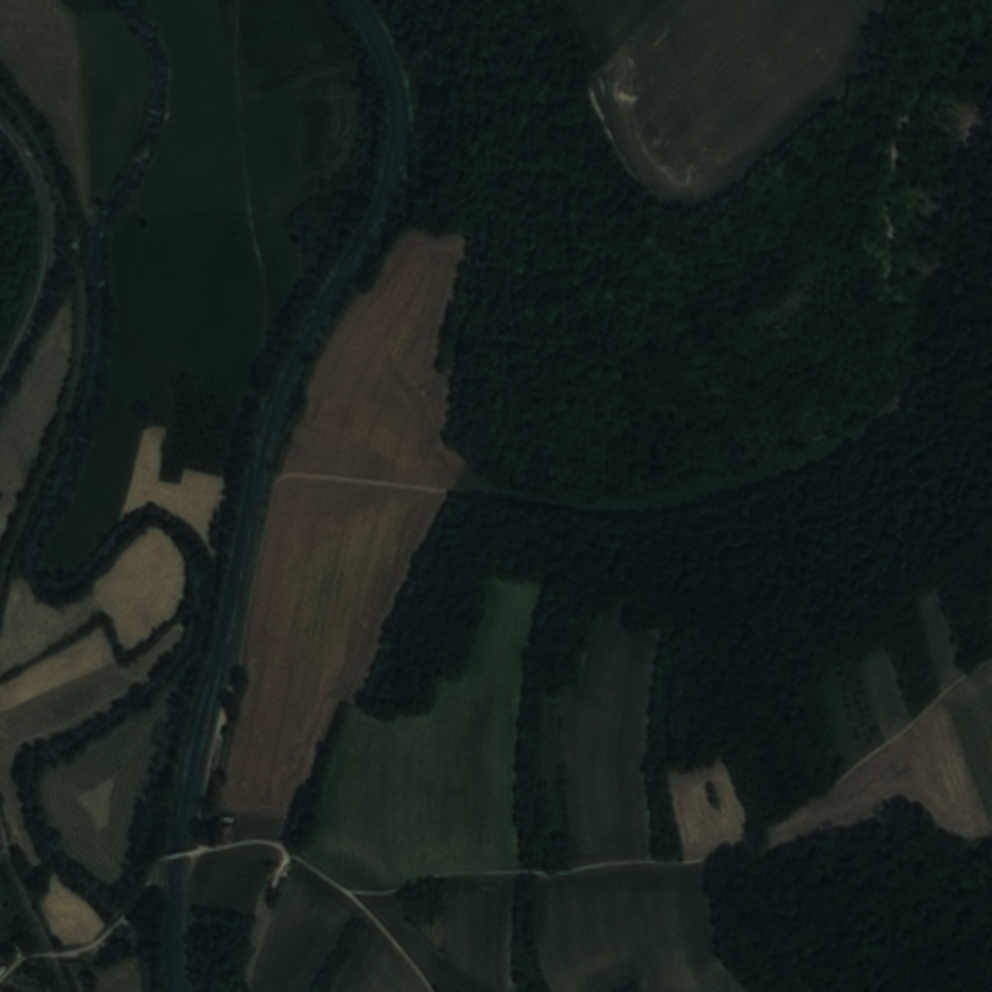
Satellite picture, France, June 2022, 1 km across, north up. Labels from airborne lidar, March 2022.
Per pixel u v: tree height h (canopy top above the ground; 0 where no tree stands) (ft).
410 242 0
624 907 0
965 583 52
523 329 71
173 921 0
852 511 66
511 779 0
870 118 57
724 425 67
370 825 0
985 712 0
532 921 37
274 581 0
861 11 0
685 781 0
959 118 100
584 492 51
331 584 0
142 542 0
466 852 0
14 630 0
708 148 0
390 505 0
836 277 26
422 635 47
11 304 41
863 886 62
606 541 68
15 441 0
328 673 0
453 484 0
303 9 0
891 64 67
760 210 35
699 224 26
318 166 0
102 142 0
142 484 0
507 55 61
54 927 0
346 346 0
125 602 0
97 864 0
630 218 68
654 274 32
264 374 70
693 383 73
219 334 0
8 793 0
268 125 0
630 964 0
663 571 64
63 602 27
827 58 0
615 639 0
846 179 51
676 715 66
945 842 60
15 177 61
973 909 66
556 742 0
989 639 24
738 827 0
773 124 0
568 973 0
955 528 51
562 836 21
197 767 0
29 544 50
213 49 0
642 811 0
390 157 0
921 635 42
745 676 83
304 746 0
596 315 64
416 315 0
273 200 0
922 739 0
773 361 31
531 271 65
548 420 36
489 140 57
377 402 0
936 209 90
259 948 0
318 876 0
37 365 0
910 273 80
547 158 67
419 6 87
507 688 0
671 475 59
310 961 0
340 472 0
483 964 0
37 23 0
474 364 59
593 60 0
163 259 0
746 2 0
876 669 0
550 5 48
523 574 53
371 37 0
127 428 0
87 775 0
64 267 55
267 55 0
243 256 0
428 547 34
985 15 58
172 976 0
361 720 0
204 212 0
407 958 0
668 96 0
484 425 52
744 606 65
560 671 46
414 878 0
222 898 0
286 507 0
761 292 67
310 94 0
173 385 0
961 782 0
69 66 0
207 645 57
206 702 0
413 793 0
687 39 0
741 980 36
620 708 0
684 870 0
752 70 0
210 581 44
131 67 0
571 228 78
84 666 0
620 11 0
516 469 70
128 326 0
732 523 80
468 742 0
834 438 56
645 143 0
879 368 48
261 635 0
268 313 0
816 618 62
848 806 0
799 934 61
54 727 0
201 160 0
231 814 0
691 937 0
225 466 0
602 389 27
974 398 27
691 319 52
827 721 44
